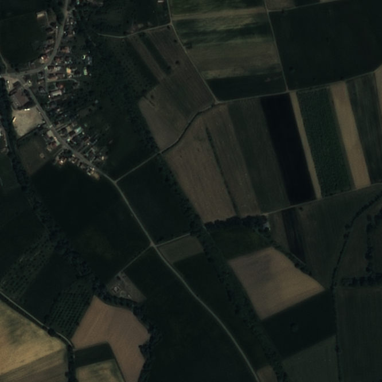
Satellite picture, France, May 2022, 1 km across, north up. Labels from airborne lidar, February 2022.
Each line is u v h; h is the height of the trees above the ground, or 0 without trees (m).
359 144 0
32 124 0
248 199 0
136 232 0
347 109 0
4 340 0
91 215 0
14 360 0
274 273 0
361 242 0
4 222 0
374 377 0
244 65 0
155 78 0
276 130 0
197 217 14
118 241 0
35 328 0
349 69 0
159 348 0
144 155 0
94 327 0
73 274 0
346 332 0
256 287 0
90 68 10
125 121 0
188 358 0
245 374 0
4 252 0
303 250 0
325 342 0
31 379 0
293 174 0
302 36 0
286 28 0
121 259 0
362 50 0
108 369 0
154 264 0
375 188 0
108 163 0
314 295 0
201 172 0
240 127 0
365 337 0
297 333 0
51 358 0
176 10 0
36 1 0
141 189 0
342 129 0
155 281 0
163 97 0
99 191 0
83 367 0
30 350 0
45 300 0
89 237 0
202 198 0
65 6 0
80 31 12
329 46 0
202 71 0
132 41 0
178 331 0
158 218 0
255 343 0
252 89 0
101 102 0
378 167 0
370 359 0
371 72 0
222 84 0
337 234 0
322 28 0
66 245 12
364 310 0
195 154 0
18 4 0
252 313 16
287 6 0
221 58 0
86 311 0
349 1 0
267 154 0
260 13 0
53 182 0
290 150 0
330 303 0
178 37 0
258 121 0
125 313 0
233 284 15
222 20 0
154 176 0
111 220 0
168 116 0
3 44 0
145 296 0
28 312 0
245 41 0
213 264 5
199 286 0
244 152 0
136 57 0
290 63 0
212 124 0
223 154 0
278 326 0
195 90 0
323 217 0
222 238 0
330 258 0
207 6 0
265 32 0
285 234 0
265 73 0
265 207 0
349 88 0
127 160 0
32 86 0
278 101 0
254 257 0
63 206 0
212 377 0
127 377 0
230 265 0
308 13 0
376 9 0
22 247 0
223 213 0
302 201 0
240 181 0
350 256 0
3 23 0
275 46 0
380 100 0
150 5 0
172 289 0
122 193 0
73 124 0
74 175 0
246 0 0
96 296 0
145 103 0
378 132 0
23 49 0
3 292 0
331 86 0
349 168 0
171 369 0
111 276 0
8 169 0
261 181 0
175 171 0
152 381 0
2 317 0
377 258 0
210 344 0
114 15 0
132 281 0
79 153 0
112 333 0
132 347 0
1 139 0
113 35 0
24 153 0
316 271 0
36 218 0
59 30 0
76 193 0
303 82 0
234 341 0
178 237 0
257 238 0
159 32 0
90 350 0
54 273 0
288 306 0
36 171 0
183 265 0
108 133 0
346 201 0
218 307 0
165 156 0
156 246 0
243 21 0
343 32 0
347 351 0
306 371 0
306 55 0
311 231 0
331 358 0
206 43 0
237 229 0
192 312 0
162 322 0
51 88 0
